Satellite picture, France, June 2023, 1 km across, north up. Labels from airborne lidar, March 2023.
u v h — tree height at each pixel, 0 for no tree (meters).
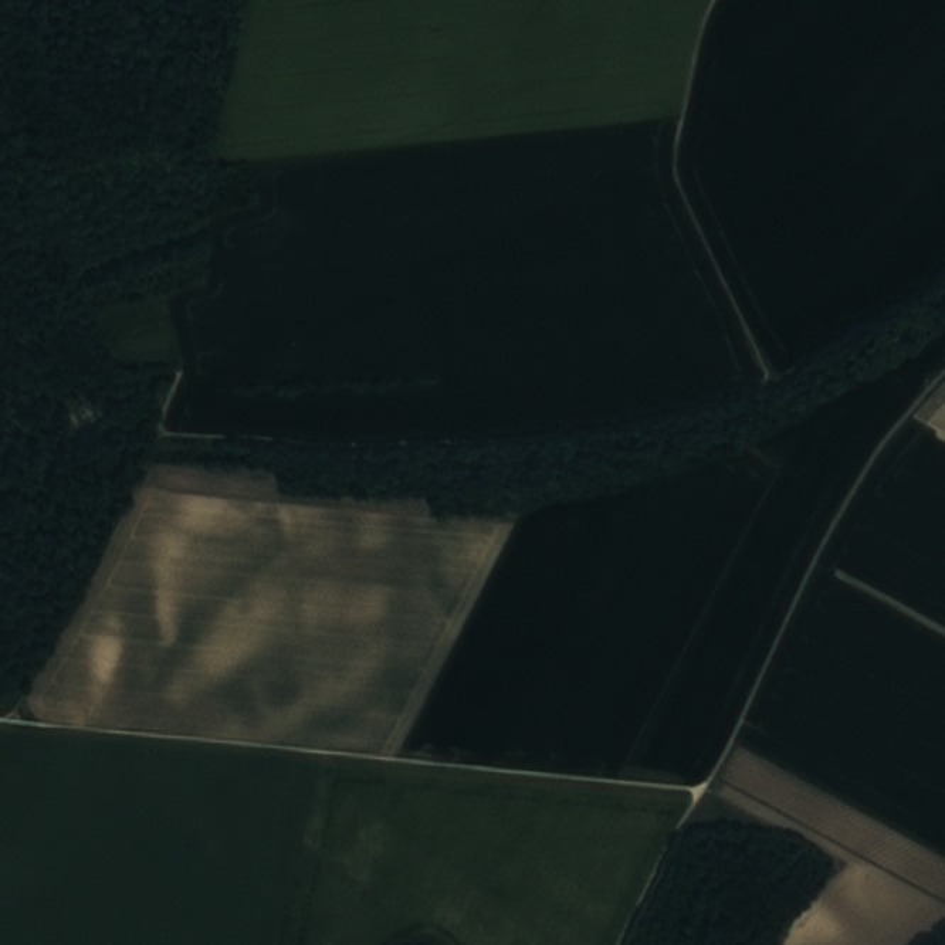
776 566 0
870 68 0
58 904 0
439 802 0
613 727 0
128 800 0
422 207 0
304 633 0
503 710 0
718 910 9
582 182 0
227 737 0
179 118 25
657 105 0
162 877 0
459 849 0
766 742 0
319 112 0
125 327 0
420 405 0
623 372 0
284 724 0
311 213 0
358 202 0
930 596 0
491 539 0
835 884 0
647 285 0
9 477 9
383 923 0
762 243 0
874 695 0
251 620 0
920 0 0
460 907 0
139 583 0
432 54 0
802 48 0
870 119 0
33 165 21
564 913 0
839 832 0
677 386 0
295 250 0
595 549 0
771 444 0
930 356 0
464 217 0
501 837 0
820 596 0
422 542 0
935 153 0
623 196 0
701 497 0
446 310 0
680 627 0
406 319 0
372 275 0
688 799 0
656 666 0
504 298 0
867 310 0
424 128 0
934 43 0
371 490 16
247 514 0
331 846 0
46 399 26
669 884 6
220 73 6
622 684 0
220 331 0
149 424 18
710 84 0
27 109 23
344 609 0
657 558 0
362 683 0
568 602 0
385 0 0
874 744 0
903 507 0
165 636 0
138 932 0
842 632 0
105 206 10
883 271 0
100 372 20
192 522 0
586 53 0
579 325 0
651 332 0
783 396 14
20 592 25
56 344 22
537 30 0
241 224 0
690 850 16
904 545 0
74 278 16
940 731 0
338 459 20
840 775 0
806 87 0
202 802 0
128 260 19
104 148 22
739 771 0
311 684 0
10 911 0
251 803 0
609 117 0
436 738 0
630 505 0
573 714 0
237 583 0
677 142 0
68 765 0
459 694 0
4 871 0
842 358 19
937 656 0
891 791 0
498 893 0
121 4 24
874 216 0
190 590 0
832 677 0
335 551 0
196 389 0
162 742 0
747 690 0
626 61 0
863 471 0
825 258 0
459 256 0
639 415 0
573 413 0
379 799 0
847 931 0
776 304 0
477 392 0
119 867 0
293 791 0
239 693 0
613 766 0
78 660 0
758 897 21
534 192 0
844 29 0
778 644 0
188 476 0
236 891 0
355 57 0
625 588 0
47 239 18
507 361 0
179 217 18
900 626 0
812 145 0
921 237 0
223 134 0
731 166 0
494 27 0
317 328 0
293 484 19
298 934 0
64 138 24
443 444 17
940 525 0
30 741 0
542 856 0
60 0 22
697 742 0
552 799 0
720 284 0
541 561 0
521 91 0
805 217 0
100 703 0
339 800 0
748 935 22
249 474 0
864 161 0
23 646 18
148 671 0
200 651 0
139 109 20
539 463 26
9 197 19
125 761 0
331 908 0
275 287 0
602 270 0
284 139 0
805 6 0
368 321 0
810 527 0
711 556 0
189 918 0
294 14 0
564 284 0
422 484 18
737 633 0
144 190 18
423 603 0
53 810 0
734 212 0
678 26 0
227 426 0
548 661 0
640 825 0
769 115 0
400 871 0
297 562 0
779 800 0
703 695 0
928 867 0
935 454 0
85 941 0
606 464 20
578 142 0
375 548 0
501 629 0
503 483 22
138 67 23
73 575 24
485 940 0
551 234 0
